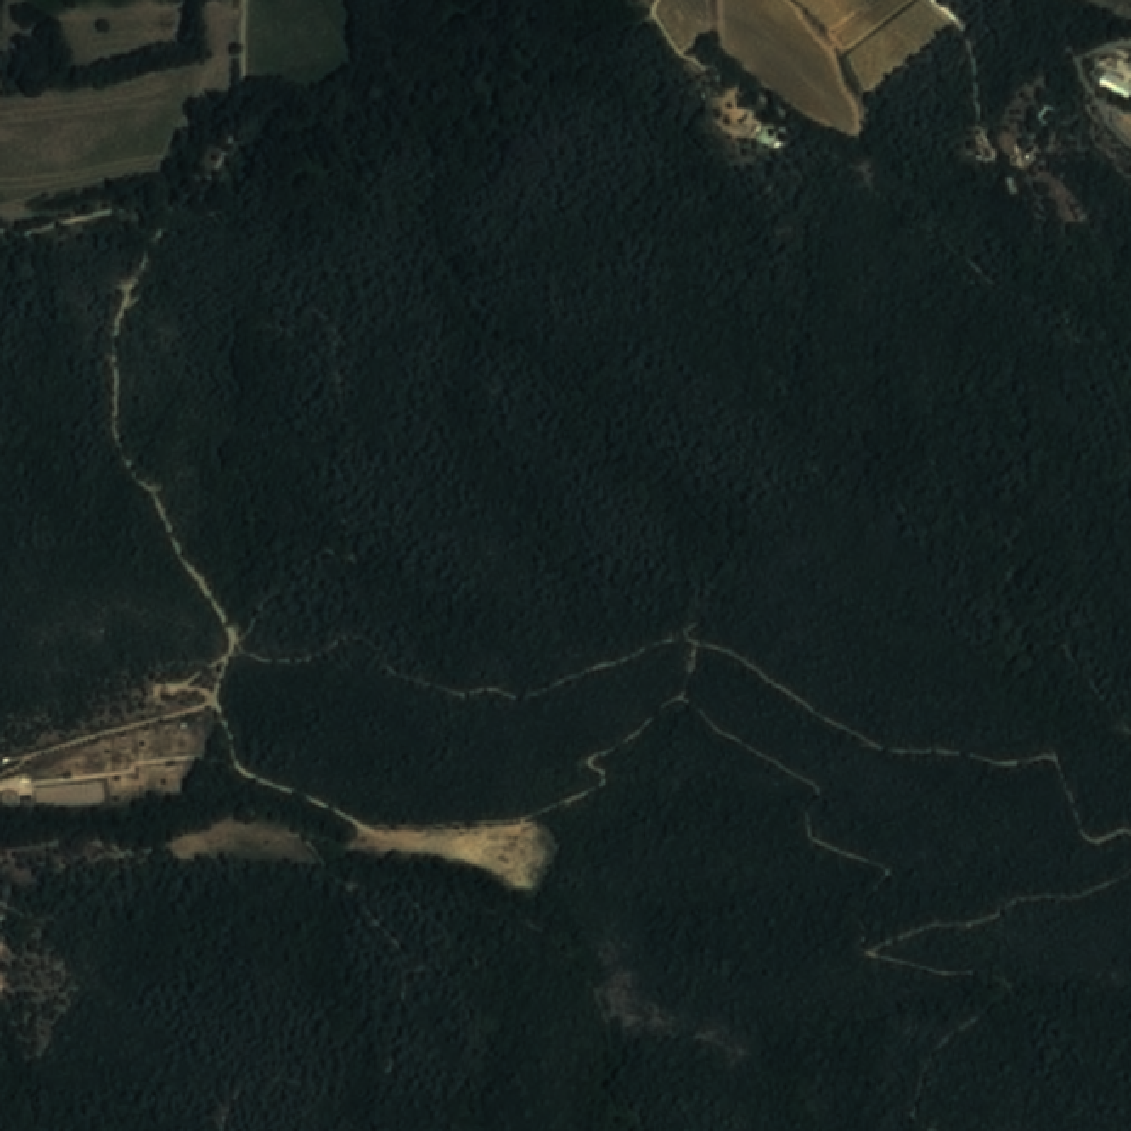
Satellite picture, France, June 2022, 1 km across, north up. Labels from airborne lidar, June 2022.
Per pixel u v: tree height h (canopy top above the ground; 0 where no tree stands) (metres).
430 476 7
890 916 7
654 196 11
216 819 12
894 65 0
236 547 10
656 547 17
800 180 8
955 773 8
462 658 6
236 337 13
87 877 7
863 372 7
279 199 25
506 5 24
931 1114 7
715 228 11
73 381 10
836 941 9
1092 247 15
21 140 0
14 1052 11
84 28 0
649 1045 7
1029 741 7
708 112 17
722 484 13
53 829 12
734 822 11
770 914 6
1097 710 8
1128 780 5
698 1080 7
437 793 7
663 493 14
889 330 6
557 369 11
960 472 7
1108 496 8
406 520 7
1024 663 16
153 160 0
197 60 25
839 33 0
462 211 15
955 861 7
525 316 8
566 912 10
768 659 6
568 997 7
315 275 15
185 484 8
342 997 11
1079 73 9
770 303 7
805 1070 9
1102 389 13
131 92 0
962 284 8
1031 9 11
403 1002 9
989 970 8
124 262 6
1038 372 7
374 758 8
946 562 7
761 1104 8
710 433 8
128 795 0
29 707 7
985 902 11
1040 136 6
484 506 5
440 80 16
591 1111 12
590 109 15
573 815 8
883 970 8
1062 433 8
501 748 7
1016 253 18
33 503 9
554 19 23
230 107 27
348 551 14
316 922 11
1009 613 12
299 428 16
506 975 13
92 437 7
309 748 6
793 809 8
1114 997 7
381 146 12
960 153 8
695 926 7
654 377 7
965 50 16
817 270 9
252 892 7
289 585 10
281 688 6
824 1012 8
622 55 17
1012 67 9
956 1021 7
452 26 15
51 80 20
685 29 0
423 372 14
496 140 19
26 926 12
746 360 8
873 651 6
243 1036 13
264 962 10
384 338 6
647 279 11
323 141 32
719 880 6
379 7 19
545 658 6
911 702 6
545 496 9
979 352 8
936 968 8
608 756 6
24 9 13
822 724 7
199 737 0
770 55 0
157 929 8
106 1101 8
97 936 7
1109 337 11
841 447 7
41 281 10
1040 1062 6
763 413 14
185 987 7
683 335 8
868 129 6
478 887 10
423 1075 9
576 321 6
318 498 10
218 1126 8
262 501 9
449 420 13
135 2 0
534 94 16
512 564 6
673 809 8
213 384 7
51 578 8
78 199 7
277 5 0
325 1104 8
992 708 7
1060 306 12
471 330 12
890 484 10
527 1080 8
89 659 8
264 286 17
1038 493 8
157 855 10
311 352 10
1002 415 9
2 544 6
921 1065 8
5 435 12
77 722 7
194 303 16
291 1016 16
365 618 15
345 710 7
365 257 18
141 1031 6
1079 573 7
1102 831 6
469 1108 15
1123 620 7
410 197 15
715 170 8
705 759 6
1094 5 9
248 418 11
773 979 6
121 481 10
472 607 8
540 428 15
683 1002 10
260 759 7
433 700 6
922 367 7
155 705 0
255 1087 11
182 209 16
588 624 7
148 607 6
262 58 0
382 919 14
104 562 7
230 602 8
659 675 9
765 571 7
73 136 0
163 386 8
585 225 8
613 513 16
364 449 7
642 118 11
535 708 6
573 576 12
